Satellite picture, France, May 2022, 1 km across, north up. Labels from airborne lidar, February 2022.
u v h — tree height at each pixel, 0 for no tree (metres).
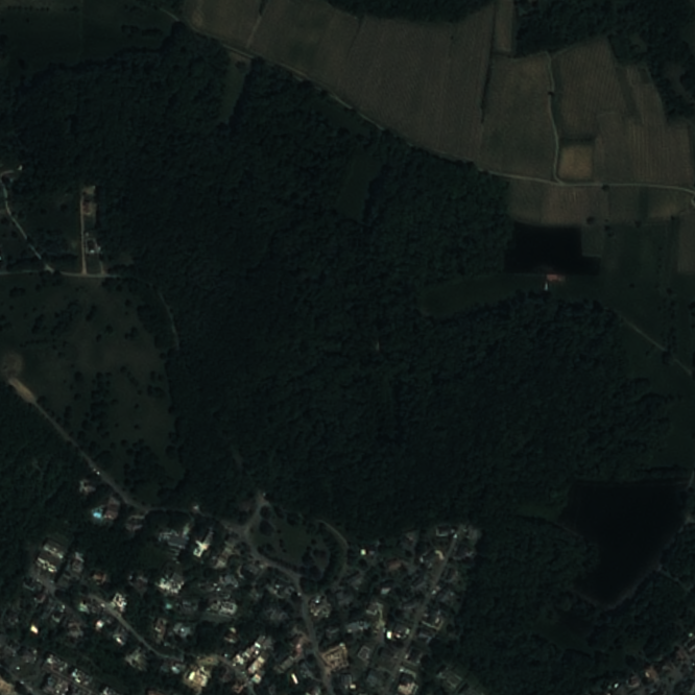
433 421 23
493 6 0
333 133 17
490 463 15
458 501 15
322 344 16
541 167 0
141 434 0
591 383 20
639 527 0
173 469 0
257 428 24
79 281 0
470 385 24
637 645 0
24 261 9
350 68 0
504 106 0
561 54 0
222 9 0
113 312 0
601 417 25
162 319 12
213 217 19
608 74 0
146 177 23
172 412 11
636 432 21
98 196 13
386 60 0
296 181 27
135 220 17
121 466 0
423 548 12
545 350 24
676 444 0
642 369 0
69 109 20
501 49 0
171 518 16
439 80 0
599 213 0
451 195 23
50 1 0
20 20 0
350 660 8
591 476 19
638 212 0
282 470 22
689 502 12
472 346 28
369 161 0
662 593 16
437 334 25
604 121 0
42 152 24
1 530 10
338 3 15
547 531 21
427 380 23
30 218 0
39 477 11
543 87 0
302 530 0
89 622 12
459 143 0
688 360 0
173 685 8
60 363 0
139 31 12
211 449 21
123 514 15
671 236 0
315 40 0
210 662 0
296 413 16
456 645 14
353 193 0
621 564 0
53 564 0
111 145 22
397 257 24
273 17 0
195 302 15
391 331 0
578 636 0
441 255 25
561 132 0
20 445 12
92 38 0
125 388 0
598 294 0
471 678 0
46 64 0
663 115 0
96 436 0
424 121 0
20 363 0
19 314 0
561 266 0
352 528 11
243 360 21
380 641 0
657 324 0
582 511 0
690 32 0
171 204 24
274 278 20
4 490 7
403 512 13
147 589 11
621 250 0
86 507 12
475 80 0
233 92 0
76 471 14
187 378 15
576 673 13
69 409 8
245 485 21
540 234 0
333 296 24
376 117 0
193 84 26
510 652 17
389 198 29
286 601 7
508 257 0
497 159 0
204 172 25
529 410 17
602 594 0
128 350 0
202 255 15
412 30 0
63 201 0
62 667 0
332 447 23
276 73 15
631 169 0
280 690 6
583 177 0
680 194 0
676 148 0
